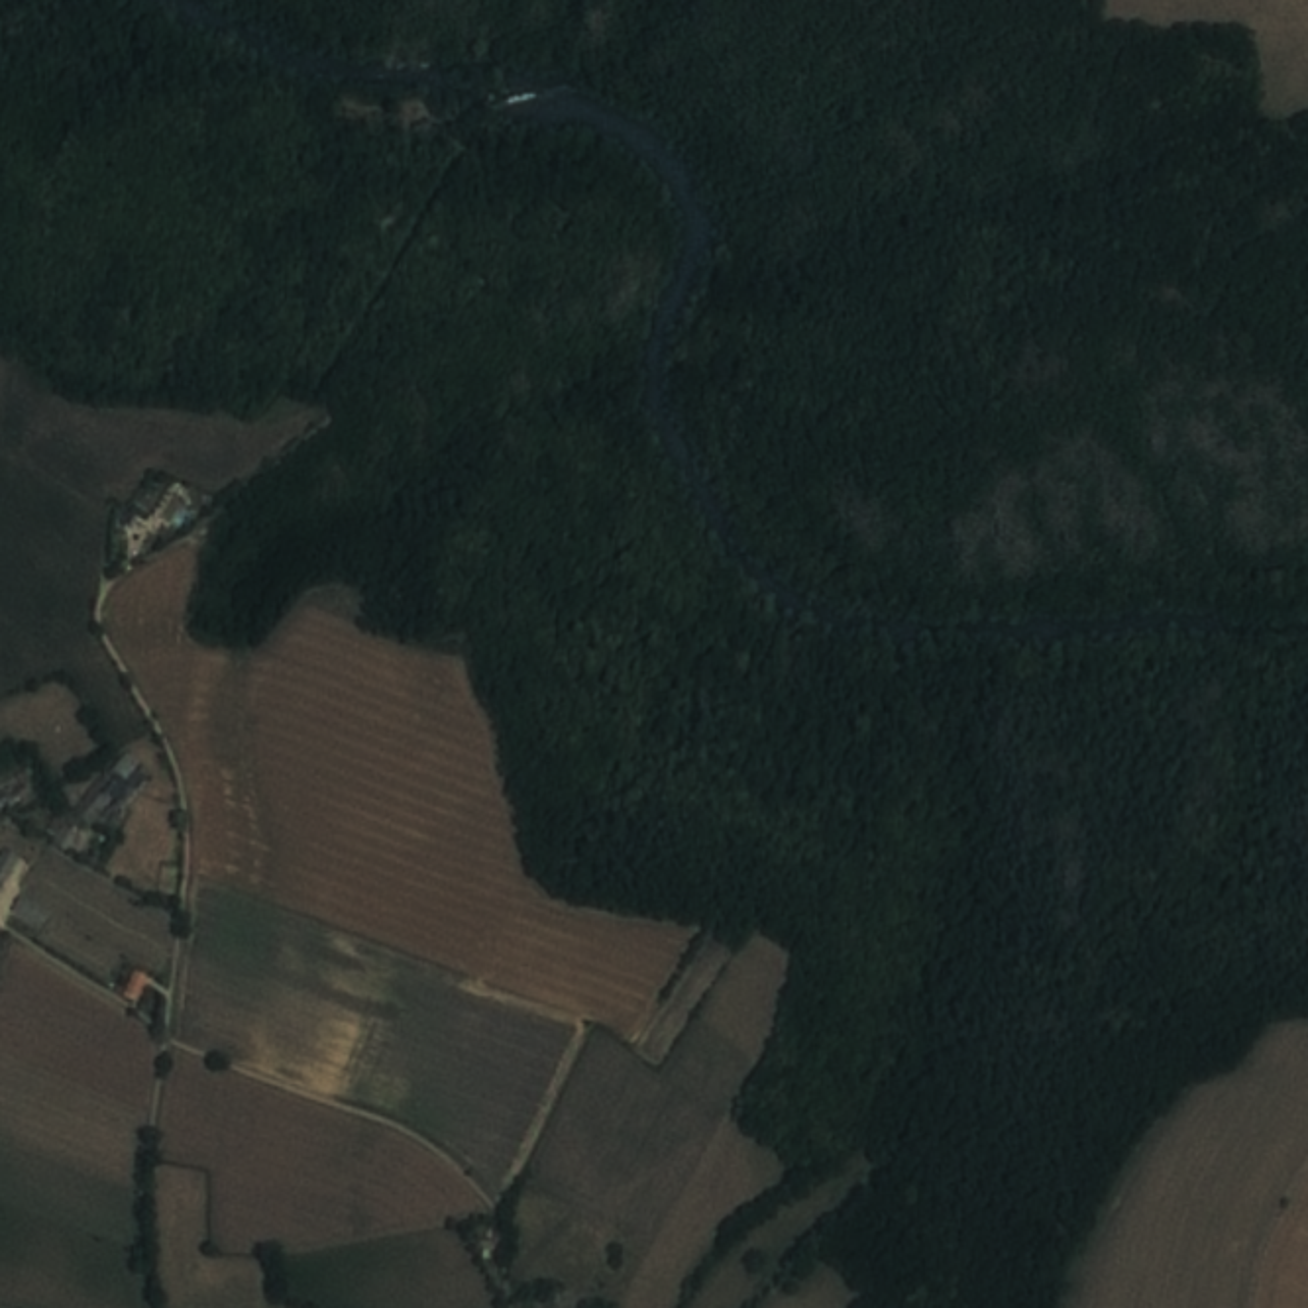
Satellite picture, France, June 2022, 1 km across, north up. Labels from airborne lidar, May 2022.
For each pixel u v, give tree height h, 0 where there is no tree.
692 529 23
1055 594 23
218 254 16
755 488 18
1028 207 22
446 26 9
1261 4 0
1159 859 16
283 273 15
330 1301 0
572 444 14
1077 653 26
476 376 12
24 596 0
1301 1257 0
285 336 14
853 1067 10
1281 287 14
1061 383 6
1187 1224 0
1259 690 16
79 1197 0
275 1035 0
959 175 13
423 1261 0
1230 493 9
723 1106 0
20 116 7
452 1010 0
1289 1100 0
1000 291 11
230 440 0
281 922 0
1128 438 11
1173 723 11
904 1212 18
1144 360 9
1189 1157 0
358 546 11
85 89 18
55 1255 0
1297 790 11
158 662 0
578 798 11
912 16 8
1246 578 22
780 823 16
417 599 17
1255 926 13
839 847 12
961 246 12
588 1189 0
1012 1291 18
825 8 9
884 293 15
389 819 0
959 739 14
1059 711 9
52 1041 0
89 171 15
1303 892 11
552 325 11
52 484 0
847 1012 8
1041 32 7
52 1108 0
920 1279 21
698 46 9
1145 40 12
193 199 11
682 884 11
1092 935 13
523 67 15
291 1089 0
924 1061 11
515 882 0
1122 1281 0
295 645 0
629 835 10
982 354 12
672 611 23
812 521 18
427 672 0
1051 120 10
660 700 15
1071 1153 15
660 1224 0
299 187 16
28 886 0
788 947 9
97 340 18
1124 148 10
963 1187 13
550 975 0
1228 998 17
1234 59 10
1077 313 12
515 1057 0
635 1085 0
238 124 10
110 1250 0
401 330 9
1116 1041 14
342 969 0
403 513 24
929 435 11
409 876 0
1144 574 15
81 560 0
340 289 10
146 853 0
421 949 0
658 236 10
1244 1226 0
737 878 10
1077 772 10
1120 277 11
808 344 14
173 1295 0
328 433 8
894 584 22
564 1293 7
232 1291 0
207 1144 0
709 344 20
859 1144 17
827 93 14
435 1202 0
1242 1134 0
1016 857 6
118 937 0
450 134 11
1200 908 12
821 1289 0
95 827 8
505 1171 0
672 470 19
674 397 28
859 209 7
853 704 14
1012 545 7
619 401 40
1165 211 11
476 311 12
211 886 0
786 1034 13
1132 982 10
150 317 19
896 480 14
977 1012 10
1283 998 16
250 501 9
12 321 14
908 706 8
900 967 13
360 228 13
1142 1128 12
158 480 10
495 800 0
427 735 0
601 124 0
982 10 14
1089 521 12
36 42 13
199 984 0
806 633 20
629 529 16
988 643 21
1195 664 8
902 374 16
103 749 11
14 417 0
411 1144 0
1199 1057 19
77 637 0
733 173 20
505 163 14
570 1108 0
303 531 13
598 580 19
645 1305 0
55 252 16
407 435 11
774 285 23
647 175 14
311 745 0
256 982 0
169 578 0
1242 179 9
